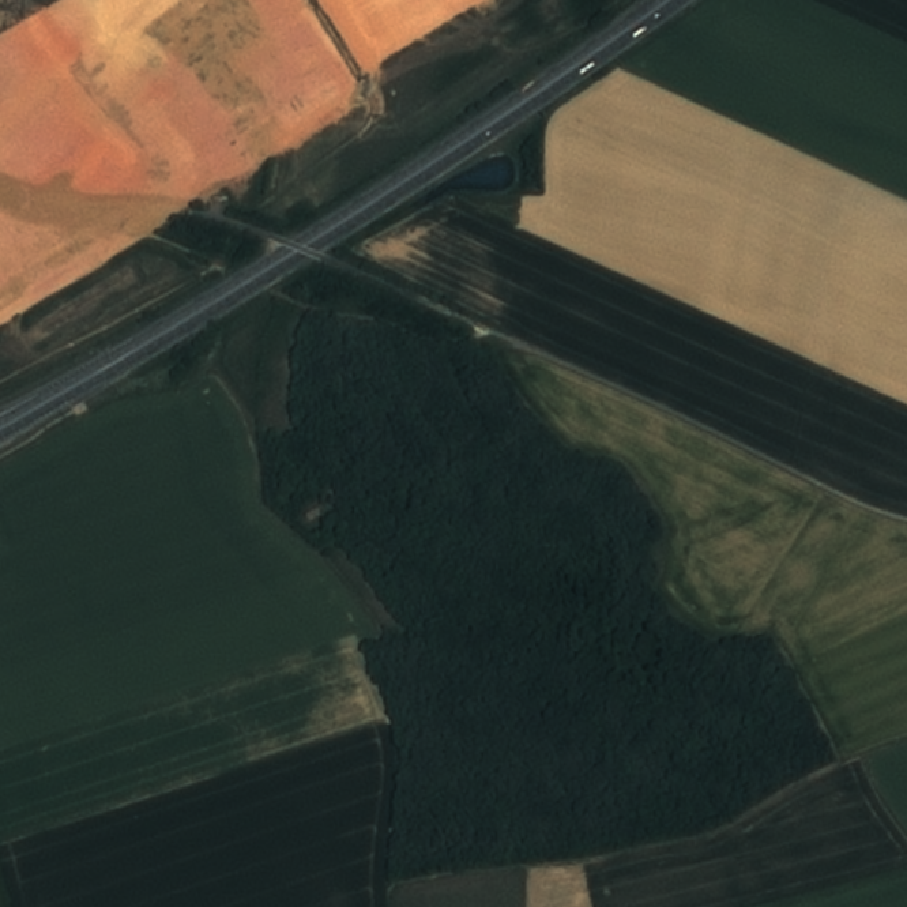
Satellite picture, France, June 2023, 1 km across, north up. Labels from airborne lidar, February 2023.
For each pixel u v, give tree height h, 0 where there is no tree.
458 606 18
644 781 21
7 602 0
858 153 0
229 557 0
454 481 21
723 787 21
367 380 23
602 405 0
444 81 0
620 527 21
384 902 0
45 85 0
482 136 0
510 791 23
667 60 0
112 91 0
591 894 0
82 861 0
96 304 0
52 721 0
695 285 0
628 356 0
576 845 16
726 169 0
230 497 0
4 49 0
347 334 16
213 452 0
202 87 0
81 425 0
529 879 0
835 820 0
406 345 19
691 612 0
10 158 0
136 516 0
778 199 0
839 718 0
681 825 17
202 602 0
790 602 0
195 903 0
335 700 0
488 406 20
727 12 0
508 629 20
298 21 0
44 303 0
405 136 0
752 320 0
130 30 0
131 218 0
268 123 0
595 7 0
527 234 0
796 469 0
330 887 0
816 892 0
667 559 0
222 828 0
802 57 0
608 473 20
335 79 0
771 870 0
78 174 0
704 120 0
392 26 0
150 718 0
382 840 0
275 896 0
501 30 0
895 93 0
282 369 0
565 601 6
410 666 18
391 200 0
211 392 0
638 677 23
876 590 0
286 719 0
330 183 0
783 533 0
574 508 20
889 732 0
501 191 0
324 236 0
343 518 20
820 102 0
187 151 0
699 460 0
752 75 0
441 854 16
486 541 20
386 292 11
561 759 19
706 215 0
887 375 0
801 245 0
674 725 22
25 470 0
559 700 16
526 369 0
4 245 0
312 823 0
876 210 0
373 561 18
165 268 0
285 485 10
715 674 18
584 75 0
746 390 0
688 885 0
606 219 0
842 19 0
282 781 0
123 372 0
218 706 0
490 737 22
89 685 0
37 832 0
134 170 0
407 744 19
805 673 0
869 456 0
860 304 0
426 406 23
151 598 0
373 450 23
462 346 13
